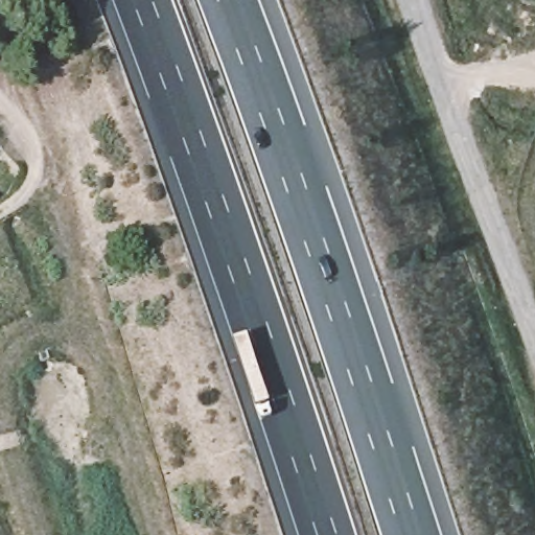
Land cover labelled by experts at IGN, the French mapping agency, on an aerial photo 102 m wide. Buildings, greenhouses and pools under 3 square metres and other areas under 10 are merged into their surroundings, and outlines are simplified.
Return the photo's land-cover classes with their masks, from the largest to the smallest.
<instances>
[{"label":"impervious surface","instance_id":"1","mask_svg":"<svg viewBox=\"0 0 535 535\"><path fill-rule=\"evenodd\" d=\"M102 17L109 23L111 38L115 42V48L119 50V59L123 63L125 75L136 96L138 111L142 115L155 157L159 161L163 173L161 186L165 196H169L173 213L178 217L173 222L176 234L184 236L190 261L196 270L201 290L211 313L213 328L222 345V353L226 357V366L232 376L251 433V443L255 447L270 497L276 508V516L282 531L280 535H479L483 531V522L474 516H468L466 497L472 491V485L464 481L472 464L449 460L443 431L439 428V416L443 412L437 403V391L445 385V380L441 376L439 364L428 359V347L420 345V330L412 322V311L399 307L397 293L391 282V272L387 268V255L397 249V242L385 228L380 213L372 205L370 184L364 180L362 173H357V155L351 148V130L347 121L341 117V111L345 109V96L336 86V71L330 65L322 63L318 40L305 17L303 0H107V13Z\"/></svg>","mask_w":535,"mask_h":535},{"label":"herbaceous vegetation","instance_id":"2","mask_svg":"<svg viewBox=\"0 0 535 535\"><path fill-rule=\"evenodd\" d=\"M65 10L75 29V38L67 44V50L73 56L63 65V75L54 77L50 84H36L27 88L19 84H8V75L0 71V90L6 92L8 98L19 102L23 115L38 130L42 140V188H38L31 199L40 207H48L56 219L54 224H50V232L54 236L56 253L65 257L67 263V278H63L65 301L61 305V320L38 322L33 318V311H25L21 320L0 330V535H50L52 529L48 527L44 516L42 491L38 489L27 468V445L19 441L15 416L10 414L13 401L8 374L10 368H23L27 364L23 351H27L36 339L56 341V345L67 355H71V362H54L48 349L38 351V376L42 380L36 382V405L31 414L36 416V420H42L46 424V431L59 443L63 458L69 460L73 466L113 462L119 468L121 487L138 529L136 535H280L282 531L276 516V508L270 497L255 447L251 443V433L232 376L226 366V357L222 353V345L213 328L211 313L201 290L196 270L190 261L184 236L176 234L173 222L178 217L173 213L169 196H165L161 186L163 173L159 161L155 157L142 115L138 111L136 96L125 75L123 63L119 59V50L115 48V42L111 38L109 23L102 17L107 13V0H65ZM130 224H148L142 232V238L146 240L144 253L148 257H155L157 263L167 261V278H159L157 274L132 276L130 272H119L107 263V234ZM506 10L514 19H518V33L508 36L504 29L489 25L487 31L497 38V48L491 50L489 46L474 44L470 52L472 63H483L489 59L506 61L514 52L522 54L535 50V0H522L518 4H506ZM508 102L512 107H535V90L508 88ZM0 161L8 165L10 173L25 180L27 161L23 159V155L15 148L10 140H6L0 146ZM497 194L499 211L508 224L510 236L516 245L522 270L531 282L535 297V182L531 180V186H525L522 199H516V190H506L499 186V176L489 178ZM29 299V293L23 282V274L19 272V263L10 255L4 224L0 222V305L25 303Z\"/></svg>","mask_w":535,"mask_h":535},{"label":"deciduous trees","instance_id":"3","mask_svg":"<svg viewBox=\"0 0 535 535\"><path fill-rule=\"evenodd\" d=\"M75 38V29L65 10V0H0V71L8 75V84H19L27 88L36 84H50L54 77L63 75V65L73 56L67 50V44ZM305 17L318 40L322 63L330 65L336 71V86L345 96V109L341 111V117L347 121L351 130V148L357 155V173H362L364 180L370 184L372 205L380 213L385 228L397 242V249L387 255V268L391 272V282L397 293L399 307L412 311V322L420 330V345L428 347V359L439 364L441 376L445 380V385L437 391V403L443 412L439 416V428L443 431L449 460L472 464L464 481L472 485V491L466 497L468 516H474L483 522V531L479 535H535V385L527 362L522 336L514 324V316L502 288L495 263L487 249L481 226L476 222L474 209L468 201L460 169L445 140L443 125L435 111L428 84L418 67V59L410 38L412 31L401 17L397 0H303ZM522 0H431L447 54L456 63H472L470 52L474 44L489 46L491 50L497 48V38L487 31L489 25L504 29L508 36L518 33V19H514L506 10V4H518ZM508 88L487 86L483 94L470 102V127L476 138V146L481 150L489 178L499 176V186L506 190H516V199H522L525 186H531V180L535 182V107H512L508 102ZM25 180L10 173L8 165L0 161V203L13 196ZM0 222L4 224L10 255L19 263V272L23 274V282L29 293V299L25 303L0 305V330L21 320L25 311H33V318L38 322L61 320V305L65 301L63 278H67V263L65 257L56 253L54 236L50 232V224H54L56 219L48 207H40L31 199L23 207L10 211L4 219H0ZM148 224H130L107 234V263L119 272H130L132 276L157 274L159 278H167V261L157 263L155 257H148L144 253L146 240L142 238V232ZM48 349L54 362H71V355H67L56 345V341L36 339L27 351H23L27 364L23 368H10L8 374L13 401L10 414L15 416L19 441L27 445V468L38 489L42 491L44 516L48 527L52 529L50 535H136L138 529L121 487L119 468L113 462L73 466L69 460L63 458L59 443L46 431V424L42 420H36V416L31 414L36 405V382L42 380L38 376V351Z\"/></svg>","mask_w":535,"mask_h":535},{"label":"pervious surface","instance_id":"4","mask_svg":"<svg viewBox=\"0 0 535 535\"><path fill-rule=\"evenodd\" d=\"M401 17L412 31L410 38L418 59V67L428 84L435 111L443 125L445 140L460 169L468 201L474 209L476 222L481 226L487 249L495 263L502 288L514 316V324L522 336L527 362L535 385V297L531 282L522 270L516 245L510 236L508 224L499 211L497 194L489 178L481 150L476 146V138L470 127V102L483 94L487 86L508 88L535 90V50L522 54L514 52L506 61L489 59L483 63H456L447 54L431 0H397ZM6 140H10L15 148L23 155V159L27 161L25 180L13 196L0 203V219H4L10 211L23 207L31 199L38 188H42V140L38 130L23 115L19 102L8 98L6 92L0 90V146Z\"/></svg>","mask_w":535,"mask_h":535}]
</instances>
